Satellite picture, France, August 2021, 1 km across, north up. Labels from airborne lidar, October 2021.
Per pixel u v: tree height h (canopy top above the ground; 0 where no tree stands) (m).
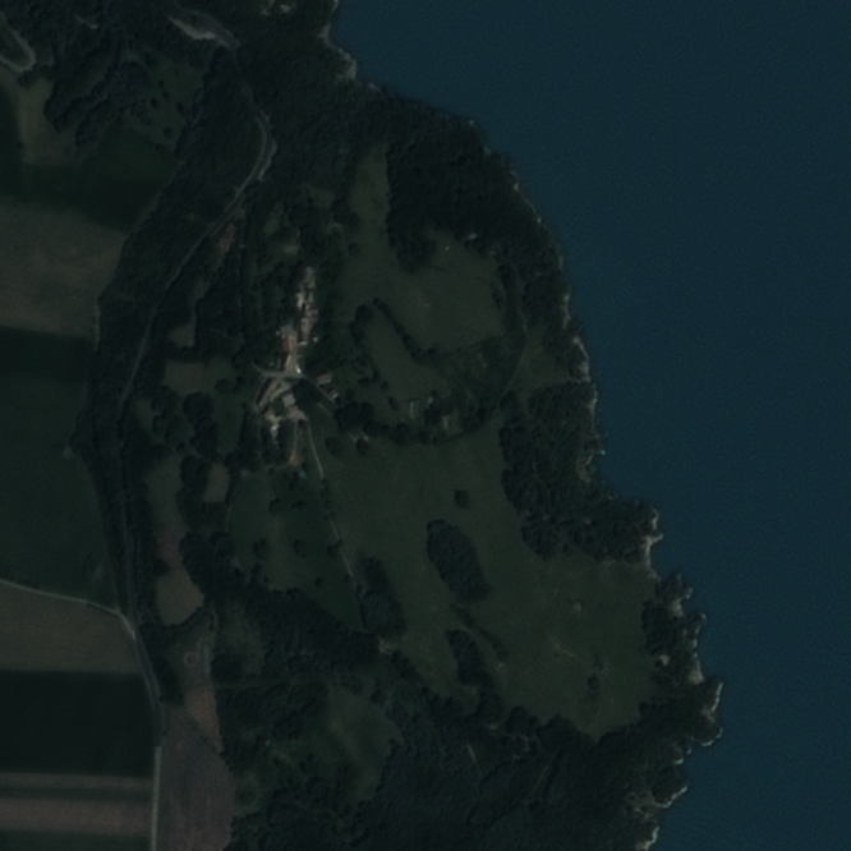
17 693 0
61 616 0
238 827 9
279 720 7
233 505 8
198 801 0
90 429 7
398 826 17
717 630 0
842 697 0
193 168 13
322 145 14
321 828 22
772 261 0
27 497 0
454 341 0
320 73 10
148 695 0
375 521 0
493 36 0
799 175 0
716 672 0
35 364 0
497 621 0
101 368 13
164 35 15
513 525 0
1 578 8
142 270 13
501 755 20
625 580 0
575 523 15
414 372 0
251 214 11
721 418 0
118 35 19
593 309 0
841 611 0
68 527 0
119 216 0
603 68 0
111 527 7
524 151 0
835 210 0
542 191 0
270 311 7
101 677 0
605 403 0
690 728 10
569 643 0
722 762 0
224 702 7
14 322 0
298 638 13
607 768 22
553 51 0
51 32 24
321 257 8
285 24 15
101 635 0
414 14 0
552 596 0
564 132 0
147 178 0
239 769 9
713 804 0
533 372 0
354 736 0
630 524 14
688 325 0
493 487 0
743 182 0
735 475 0
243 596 13
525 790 20
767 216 0
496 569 0
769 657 0
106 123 15
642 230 0
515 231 19
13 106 0
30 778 0
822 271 0
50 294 0
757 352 0
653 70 0
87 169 0
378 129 22
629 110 0
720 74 0
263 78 28
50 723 0
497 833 15
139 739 0
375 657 18
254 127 10
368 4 0
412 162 26
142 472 9
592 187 0
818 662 0
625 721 0
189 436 0
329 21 13
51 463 0
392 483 0
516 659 0
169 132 8
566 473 9
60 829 0
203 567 22
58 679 0
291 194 15
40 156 0
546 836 13
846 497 0
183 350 8
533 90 0
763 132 0
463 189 35
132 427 18
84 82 0
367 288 0
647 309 0
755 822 0
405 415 0
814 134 0
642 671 0
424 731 9
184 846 0
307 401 17
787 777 0
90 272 0
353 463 0
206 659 0
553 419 10
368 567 9
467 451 0
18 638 0
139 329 10
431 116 12
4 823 0
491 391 8
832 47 0
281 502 11
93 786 0
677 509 0
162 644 11
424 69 0
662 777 13
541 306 12
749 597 0
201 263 12
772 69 0
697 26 0
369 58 0
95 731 0
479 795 17
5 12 21
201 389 0
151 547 23
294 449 0
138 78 18
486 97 0
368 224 0
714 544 0
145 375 16
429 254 9
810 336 0
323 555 0
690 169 0
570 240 0
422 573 0
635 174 0
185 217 12
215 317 24
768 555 0
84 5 18
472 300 0
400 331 11
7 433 0
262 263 11
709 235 0
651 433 0
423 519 0
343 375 0
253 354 21
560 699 0
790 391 0
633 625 0
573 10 0
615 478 0
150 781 0
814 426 0
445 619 0
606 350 0
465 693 0
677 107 0
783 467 0
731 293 0
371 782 0
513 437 21
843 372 0
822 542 0
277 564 0
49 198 0
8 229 0
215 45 12
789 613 0
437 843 21
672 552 0
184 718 0
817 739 0
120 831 0
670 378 0
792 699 0
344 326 0
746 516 0
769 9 0
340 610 0
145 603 16
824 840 0
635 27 0
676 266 0
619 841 12
